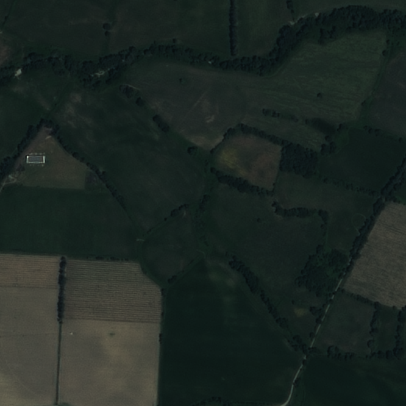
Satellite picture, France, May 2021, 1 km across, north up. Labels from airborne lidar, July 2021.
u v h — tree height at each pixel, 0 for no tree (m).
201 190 0
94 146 0
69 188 0
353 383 0
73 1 0
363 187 6
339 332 0
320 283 10
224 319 0
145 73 0
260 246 0
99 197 0
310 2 0
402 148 0
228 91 0
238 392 0
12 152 0
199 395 0
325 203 0
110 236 0
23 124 0
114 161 0
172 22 0
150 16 0
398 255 0
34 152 0
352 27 16
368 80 0
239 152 0
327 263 9
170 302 0
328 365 0
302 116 0
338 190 0
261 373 0
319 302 0
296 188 0
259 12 0
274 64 16
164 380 0
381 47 0
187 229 0
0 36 0
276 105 0
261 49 0
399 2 0
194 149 23
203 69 0
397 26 8
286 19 0
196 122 0
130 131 0
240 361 0
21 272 0
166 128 18
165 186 0
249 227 0
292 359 0
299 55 0
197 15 0
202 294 0
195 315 0
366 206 0
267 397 0
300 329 0
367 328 0
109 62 23
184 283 0
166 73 0
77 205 0
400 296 0
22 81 0
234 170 0
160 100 0
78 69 17
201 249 0
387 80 0
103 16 0
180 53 9
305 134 0
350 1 0
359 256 14
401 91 0
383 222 0
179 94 0
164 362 0
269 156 0
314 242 0
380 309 13
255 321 0
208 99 0
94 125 0
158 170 0
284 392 0
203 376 0
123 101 0
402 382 0
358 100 0
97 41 0
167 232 0
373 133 12
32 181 0
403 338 9
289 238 0
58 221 0
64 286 21
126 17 0
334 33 22
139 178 0
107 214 0
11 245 0
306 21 13
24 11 0
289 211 14
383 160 0
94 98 0
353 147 0
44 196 0
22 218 0
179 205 0
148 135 0
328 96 0
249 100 0
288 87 0
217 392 0
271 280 0
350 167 0
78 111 0
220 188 0
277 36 0
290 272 0
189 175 0
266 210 0
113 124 0
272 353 0
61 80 0
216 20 0
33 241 0
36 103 0
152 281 0
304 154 18
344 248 0
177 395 0
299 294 0
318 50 0
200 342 0
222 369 0
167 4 0
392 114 0
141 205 0
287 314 0
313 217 0
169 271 0
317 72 0
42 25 0
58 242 0
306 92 0
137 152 0
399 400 0
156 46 8
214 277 0
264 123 0
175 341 0
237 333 0
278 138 9
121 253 0
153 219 0
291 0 13
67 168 0
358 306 0
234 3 20
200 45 0
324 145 10
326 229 13
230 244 0
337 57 0
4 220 0
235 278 0
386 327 0
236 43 24
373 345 17
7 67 13
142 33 0
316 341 0
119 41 0
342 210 0
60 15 0
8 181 0
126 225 0
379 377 0
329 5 0
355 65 0
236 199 0
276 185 8
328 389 0
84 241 0
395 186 23
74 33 0
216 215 0
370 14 22
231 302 0
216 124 0
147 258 0
